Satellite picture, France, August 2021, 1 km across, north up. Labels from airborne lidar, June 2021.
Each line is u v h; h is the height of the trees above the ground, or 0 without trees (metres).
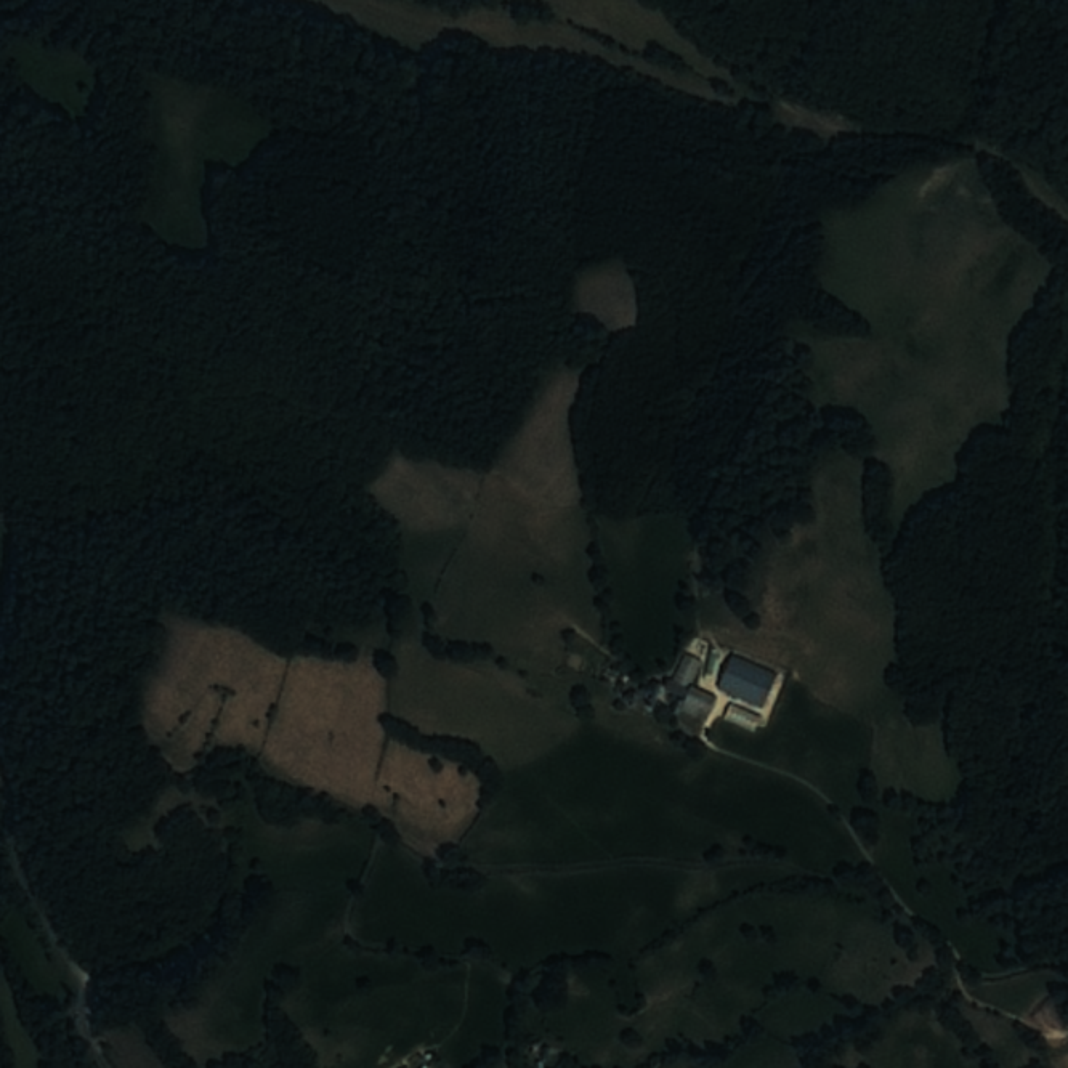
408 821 0
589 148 12
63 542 24
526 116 21
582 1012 0
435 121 26
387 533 25
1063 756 23
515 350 25
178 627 0
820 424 21
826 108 16
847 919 0
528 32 0
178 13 29
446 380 29
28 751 28
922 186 0
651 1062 8
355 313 25
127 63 13
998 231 0
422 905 0
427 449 18
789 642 0
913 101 24
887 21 23
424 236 24
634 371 14
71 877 27
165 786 14
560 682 0
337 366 17
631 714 0
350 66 28
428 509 0
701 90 0
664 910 0
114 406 19
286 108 33
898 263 0
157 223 0
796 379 13
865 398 0
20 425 25
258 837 0
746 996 0
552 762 0
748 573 10
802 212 11
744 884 0
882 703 0
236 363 18
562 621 0
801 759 0
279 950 0
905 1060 0
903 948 14
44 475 25
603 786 0
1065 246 20
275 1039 17
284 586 24
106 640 22
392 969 0
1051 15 21
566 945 0
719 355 10
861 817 15
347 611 17
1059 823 25
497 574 0
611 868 0
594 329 20
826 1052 18
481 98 24
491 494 0
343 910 0
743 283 15
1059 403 11
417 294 24
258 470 21
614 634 6
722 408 11
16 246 25
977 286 0
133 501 24
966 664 24
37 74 0
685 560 0
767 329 12
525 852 0
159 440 20
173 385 20
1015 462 24
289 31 36
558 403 0
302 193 14
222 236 23
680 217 13
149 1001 22
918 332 0
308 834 0
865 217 0
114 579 16
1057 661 22
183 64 23
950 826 22
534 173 23
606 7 0
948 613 21
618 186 15
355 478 22
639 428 17
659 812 0
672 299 9
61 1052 20
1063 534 10
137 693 14
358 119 22
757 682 0
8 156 23
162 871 18
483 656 14
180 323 18
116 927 15
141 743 19
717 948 0
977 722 22
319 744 0
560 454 0
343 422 20
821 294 14
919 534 21
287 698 0
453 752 18
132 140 24
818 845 0
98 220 19
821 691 0
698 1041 0
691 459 14
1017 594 22
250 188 20
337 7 0
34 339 24
